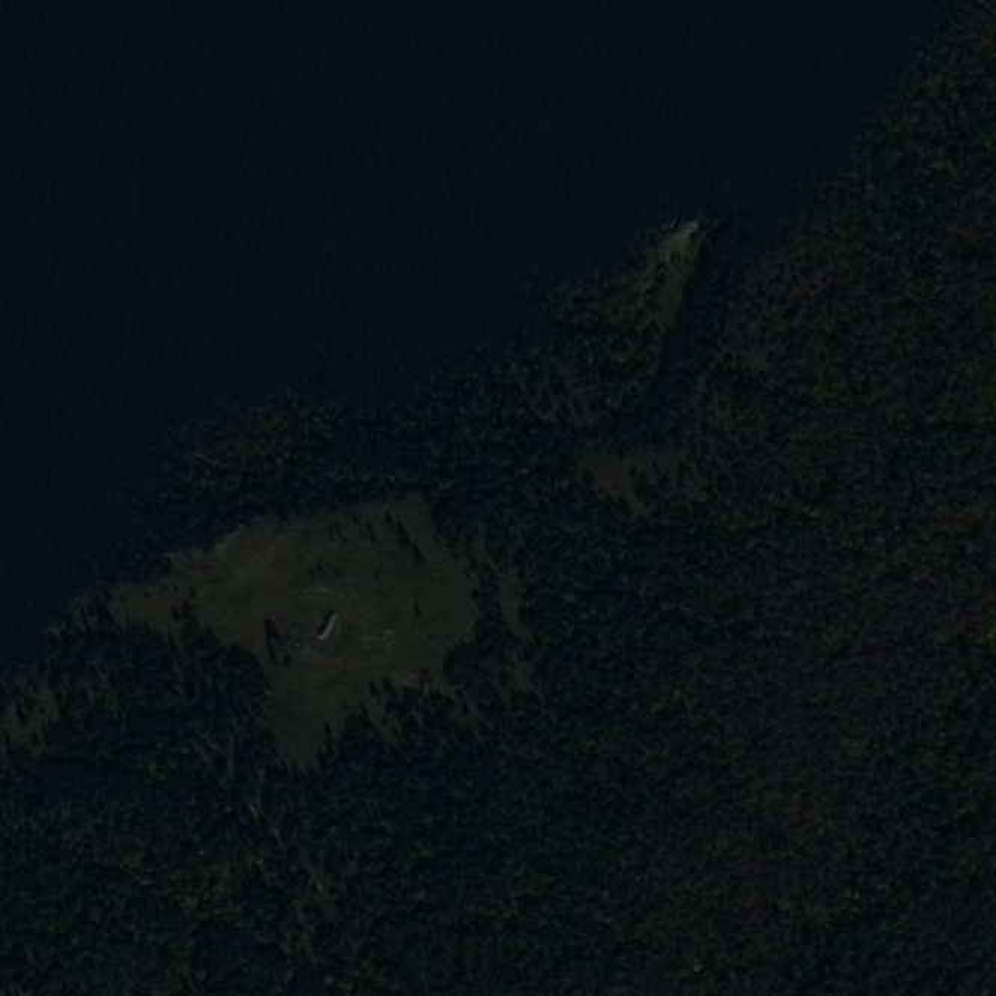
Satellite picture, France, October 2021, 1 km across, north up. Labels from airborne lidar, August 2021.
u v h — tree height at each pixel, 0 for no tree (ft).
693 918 46
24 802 18
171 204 98
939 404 40
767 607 49
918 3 48
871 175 24
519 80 92
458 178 52
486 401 37
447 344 40
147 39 76
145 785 22
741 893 46
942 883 30
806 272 19
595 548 34
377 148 90
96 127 80
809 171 34
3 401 75
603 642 30
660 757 27
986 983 55
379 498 27
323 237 70
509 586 0
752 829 47
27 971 59
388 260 67
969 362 37
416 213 59
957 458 50
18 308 83
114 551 35
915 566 63
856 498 38
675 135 71
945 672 74
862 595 77
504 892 50
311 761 0
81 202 80
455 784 45
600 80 101
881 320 33
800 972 68
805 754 39
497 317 53
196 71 91
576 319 38
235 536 0
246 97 77
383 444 52
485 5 87
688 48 77
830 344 36
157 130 102
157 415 25
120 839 39
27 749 0
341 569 0
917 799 35
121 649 55
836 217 47
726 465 24
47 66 69
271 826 33
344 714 0
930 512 63
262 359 70
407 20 84
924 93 49
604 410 59
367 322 73
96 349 85
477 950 42
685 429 21
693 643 43
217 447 21
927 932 44
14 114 76
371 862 33
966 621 72
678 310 0
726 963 49
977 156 39
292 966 30
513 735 28
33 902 31
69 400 77
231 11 90
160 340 66
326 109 88
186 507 43
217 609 0
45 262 67
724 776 48
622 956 41
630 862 56
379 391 42
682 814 25
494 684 20
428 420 46
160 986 42
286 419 44
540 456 28
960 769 29
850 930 39
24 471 71
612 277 29
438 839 57
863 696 46
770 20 66
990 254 46
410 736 56
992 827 44
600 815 34
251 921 29
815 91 85
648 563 21
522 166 83
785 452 40
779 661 51
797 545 49
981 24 44
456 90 91
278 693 0
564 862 34
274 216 74
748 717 44
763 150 71
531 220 70
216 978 50
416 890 54
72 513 69
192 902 57
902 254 33
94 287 70
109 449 58
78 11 62
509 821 37
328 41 100
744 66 82
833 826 41
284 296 67
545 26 98
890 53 66
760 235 30
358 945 36
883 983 49
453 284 58
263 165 78
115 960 25
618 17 88
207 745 25
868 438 60
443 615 0
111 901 28
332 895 23
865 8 67
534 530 27
